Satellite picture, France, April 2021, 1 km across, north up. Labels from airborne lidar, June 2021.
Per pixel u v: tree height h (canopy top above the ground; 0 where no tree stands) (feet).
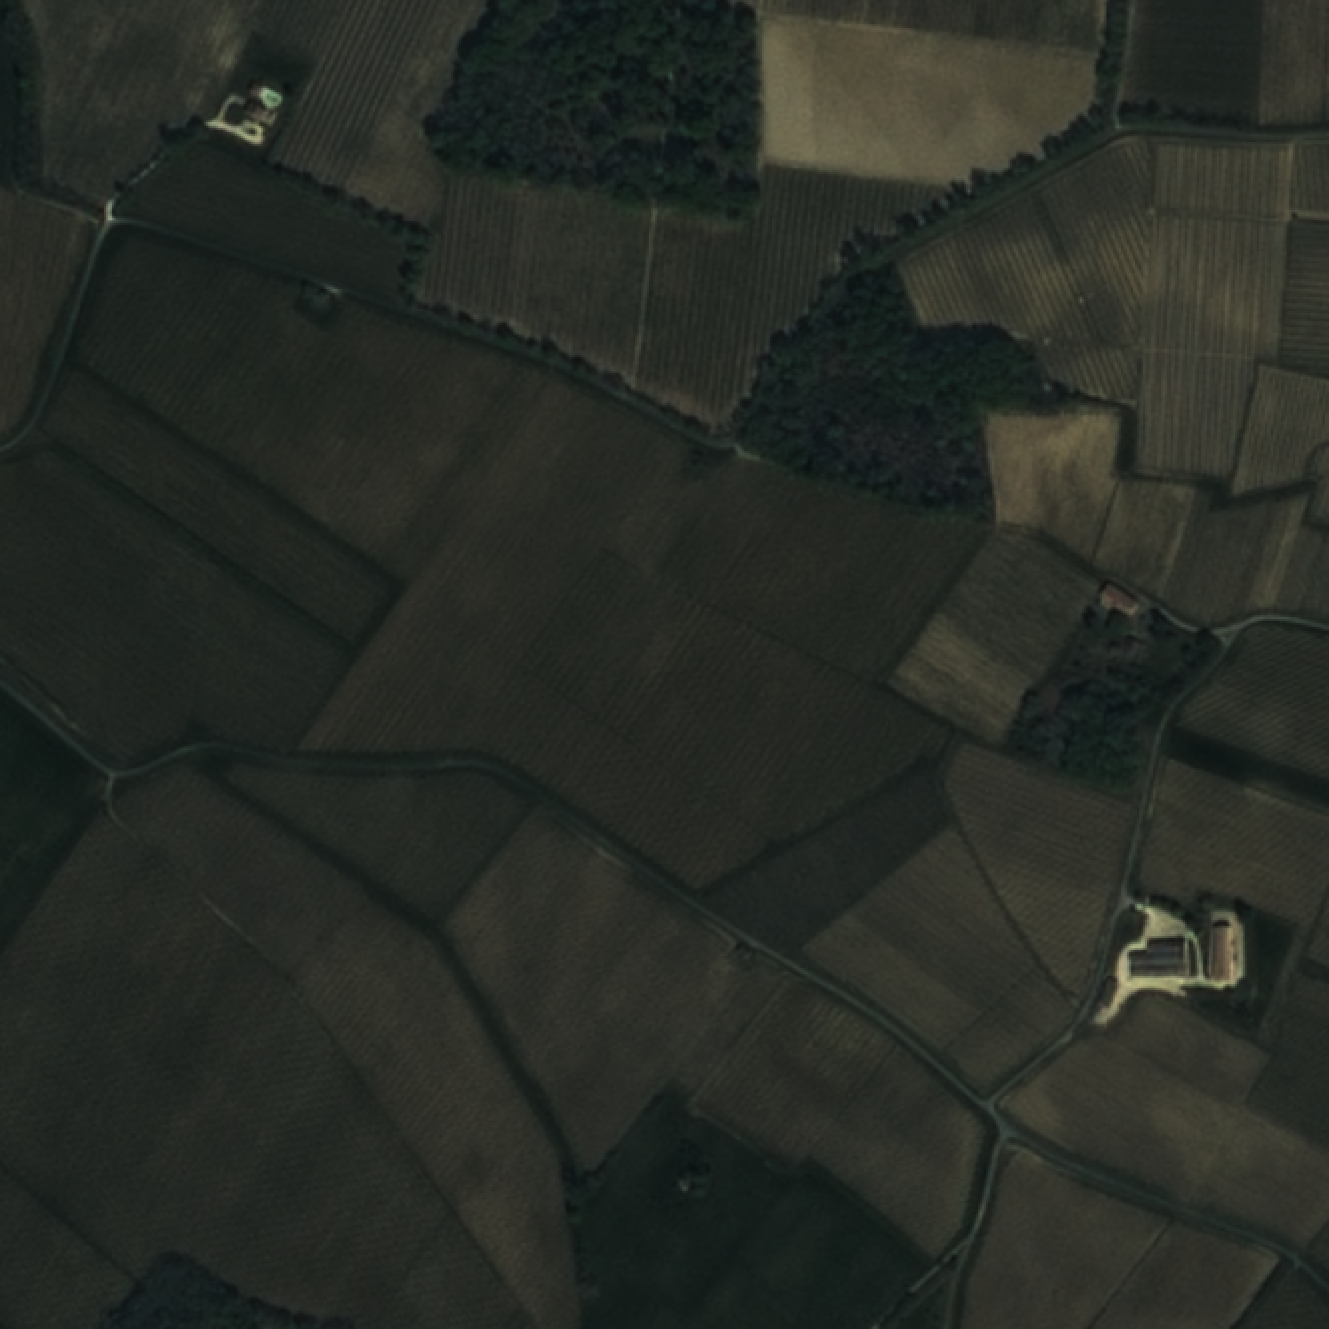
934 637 0
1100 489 0
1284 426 0
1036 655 0
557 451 0
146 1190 0
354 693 0
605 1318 0
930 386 78
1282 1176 0
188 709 0
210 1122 0
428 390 0
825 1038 0
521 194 0
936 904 0
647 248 0
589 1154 0
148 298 0
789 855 0
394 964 0
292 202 0
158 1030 0
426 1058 0
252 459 0
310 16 0
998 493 41
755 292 0
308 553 0
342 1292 0
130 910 0
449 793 0
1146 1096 0
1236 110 0
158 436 0
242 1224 0
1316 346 0
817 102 0
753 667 0
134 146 0
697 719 0
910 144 0
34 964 0
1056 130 0
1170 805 0
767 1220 0
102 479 0
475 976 0
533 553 0
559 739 0
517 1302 0
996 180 30
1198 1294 0
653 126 64
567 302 0
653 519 0
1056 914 0
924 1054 0
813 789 0
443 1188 0
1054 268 0
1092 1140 0
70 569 0
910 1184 0
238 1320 56
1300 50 0
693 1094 0
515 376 0
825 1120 0
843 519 0
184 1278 64
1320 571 0
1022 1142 0
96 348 0
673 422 39
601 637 0
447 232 0
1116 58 41
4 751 0
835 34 0
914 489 29
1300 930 0
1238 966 0
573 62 65
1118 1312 0
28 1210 0
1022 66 0
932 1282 0
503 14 54
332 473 0
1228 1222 0
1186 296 0
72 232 0
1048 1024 0
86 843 0
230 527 0
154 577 0
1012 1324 0
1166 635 25
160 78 0
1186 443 0
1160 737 0
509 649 0
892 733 0
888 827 0
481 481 0
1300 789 0
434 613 0
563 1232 0
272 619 0
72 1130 0
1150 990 0
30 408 0
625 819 0
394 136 0
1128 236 0
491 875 0
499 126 43
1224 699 0
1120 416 0
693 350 0
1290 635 0
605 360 0
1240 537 0
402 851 0
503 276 0
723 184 62
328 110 0
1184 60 0
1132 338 0
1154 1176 0
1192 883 0
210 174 0
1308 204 0
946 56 0
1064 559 0
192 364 0
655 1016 0
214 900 0
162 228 0
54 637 0
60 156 0
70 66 0
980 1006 0
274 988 0
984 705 0
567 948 0
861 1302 0
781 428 52
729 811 0
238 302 0
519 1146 0
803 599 0
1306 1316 0
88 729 0
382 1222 0
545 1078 0
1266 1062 0
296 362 0
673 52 73
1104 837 0
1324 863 0
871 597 0
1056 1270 0
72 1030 0
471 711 0
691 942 0
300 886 0
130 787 0
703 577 0
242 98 0
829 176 0
